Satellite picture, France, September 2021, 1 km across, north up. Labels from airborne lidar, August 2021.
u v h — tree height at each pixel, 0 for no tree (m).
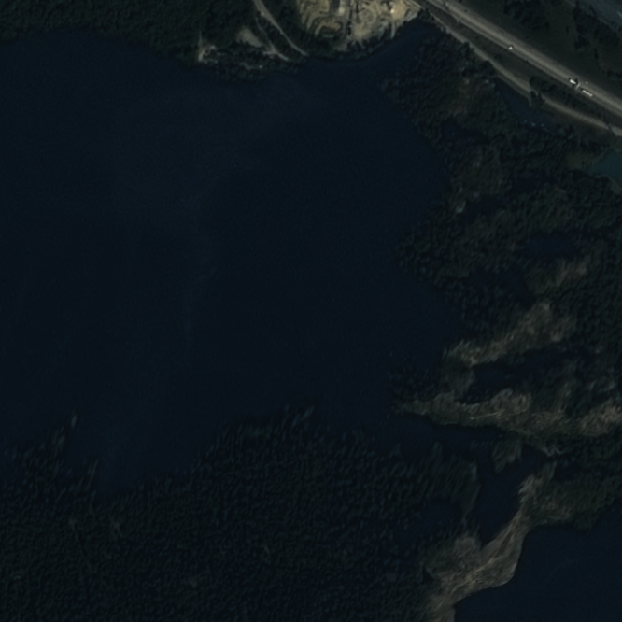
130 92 20
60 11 22
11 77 21
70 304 10
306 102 0
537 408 9
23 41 20
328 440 12
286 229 12
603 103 0
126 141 0
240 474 17
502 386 19
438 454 14
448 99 11
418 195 14
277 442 20
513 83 0
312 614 10
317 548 15
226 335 11
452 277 14
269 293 16
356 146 9
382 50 0
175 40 21
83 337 8
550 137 12
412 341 14
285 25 12
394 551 16
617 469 21
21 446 23
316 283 16
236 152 0
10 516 18
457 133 10
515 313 8
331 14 0
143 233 6
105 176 8
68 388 6
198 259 0
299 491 18
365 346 19
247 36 0
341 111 20
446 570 7
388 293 19
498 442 9
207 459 20
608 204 14
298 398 9
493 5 11
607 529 12
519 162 16
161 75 19
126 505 15
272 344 12
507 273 13
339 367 14
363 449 18
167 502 13
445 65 8
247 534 11
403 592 9
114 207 0
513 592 7
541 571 8
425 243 18
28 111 21
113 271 9
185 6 21
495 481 16
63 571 20
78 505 6
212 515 27
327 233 9
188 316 0
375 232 8
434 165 14
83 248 19
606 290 17
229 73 8
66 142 15
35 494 16
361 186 14
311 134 16
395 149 14
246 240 16
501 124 13
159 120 0
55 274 16
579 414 12
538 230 14
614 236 15
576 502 7
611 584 6
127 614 8
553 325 6
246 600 14
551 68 0
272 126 0
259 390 9
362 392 18
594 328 23
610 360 12
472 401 11
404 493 30
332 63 0
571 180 20
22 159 20
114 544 18
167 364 0
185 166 0
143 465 23
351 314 18
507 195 7
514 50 0
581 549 13
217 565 22
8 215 14
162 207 0
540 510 11
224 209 12
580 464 24
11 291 6
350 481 28
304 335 10
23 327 12
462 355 7
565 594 9
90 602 22
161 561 15
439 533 16
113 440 0
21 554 16
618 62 0
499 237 12
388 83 15
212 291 10
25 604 22
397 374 17
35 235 16
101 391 7
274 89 0
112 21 22
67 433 8
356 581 12
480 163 11
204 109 0
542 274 11
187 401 18
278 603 11
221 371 9
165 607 18
